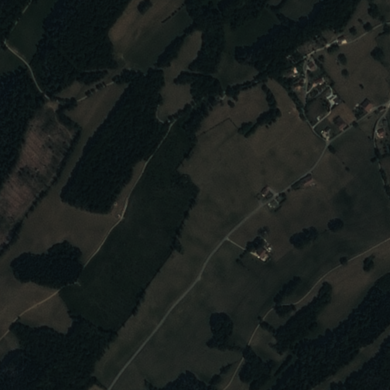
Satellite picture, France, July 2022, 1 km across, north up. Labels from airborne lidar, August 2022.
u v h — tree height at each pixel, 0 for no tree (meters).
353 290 0
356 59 0
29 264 19
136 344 0
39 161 0
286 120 0
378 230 0
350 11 15
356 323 21
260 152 0
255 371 20
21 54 0
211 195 0
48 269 17
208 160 0
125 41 0
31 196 0
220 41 24
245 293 0
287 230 0
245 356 15
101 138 18
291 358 16
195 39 0
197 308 0
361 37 0
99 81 0
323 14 19
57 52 18
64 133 8
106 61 21
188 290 0
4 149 21
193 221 0
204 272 0
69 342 20
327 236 0
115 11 22
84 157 15
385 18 13
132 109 18
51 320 0
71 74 21
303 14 0
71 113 0
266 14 0
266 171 0
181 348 0
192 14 23
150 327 0
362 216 0
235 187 0
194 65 18
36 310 0
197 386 7
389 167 0
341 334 26
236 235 0
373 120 0
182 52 0
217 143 0
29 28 0
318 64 15
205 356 0
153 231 0
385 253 0
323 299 15
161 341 0
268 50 20
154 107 15
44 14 0
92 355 24
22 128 21
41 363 23
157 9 0
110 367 0
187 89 0
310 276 0
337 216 0
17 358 24
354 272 0
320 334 0
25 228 0
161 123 16
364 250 0
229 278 0
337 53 0
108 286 0
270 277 0
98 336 20
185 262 0
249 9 11
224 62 0
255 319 0
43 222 0
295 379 15
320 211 0
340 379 0
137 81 22
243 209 0
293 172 0
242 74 0
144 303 0
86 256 0
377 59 12
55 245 8
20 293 0
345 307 0
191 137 18
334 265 0
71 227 0
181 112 15
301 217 0
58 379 23
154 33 0
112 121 16
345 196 0
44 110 0
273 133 0
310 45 0
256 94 0
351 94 0
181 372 0
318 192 0
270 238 0
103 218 0
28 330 20
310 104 7
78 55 22
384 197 0
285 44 14
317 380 10
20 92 29
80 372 20
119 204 0
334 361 14
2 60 0
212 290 0
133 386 0
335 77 0
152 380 0
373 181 0
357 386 15
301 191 0
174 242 27
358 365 0
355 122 12
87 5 14
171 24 0
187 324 0
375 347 0
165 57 20
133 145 17
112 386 0
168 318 0
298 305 0
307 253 0
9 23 11
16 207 0
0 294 0
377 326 12
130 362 0
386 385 20
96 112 0
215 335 12
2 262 0
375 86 0
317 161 0
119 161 23
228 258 0
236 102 0
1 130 23
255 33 0
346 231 0
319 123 0
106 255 0
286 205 0
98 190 18
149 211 0
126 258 0
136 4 0
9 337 0
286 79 6
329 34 0
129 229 0
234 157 0
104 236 0
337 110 0
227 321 22
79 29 20
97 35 22
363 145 0
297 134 0
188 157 16
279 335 18
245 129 14
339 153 0
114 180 23
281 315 14
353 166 0
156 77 17
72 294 0
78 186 9
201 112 18
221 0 0
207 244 0
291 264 0
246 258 0
